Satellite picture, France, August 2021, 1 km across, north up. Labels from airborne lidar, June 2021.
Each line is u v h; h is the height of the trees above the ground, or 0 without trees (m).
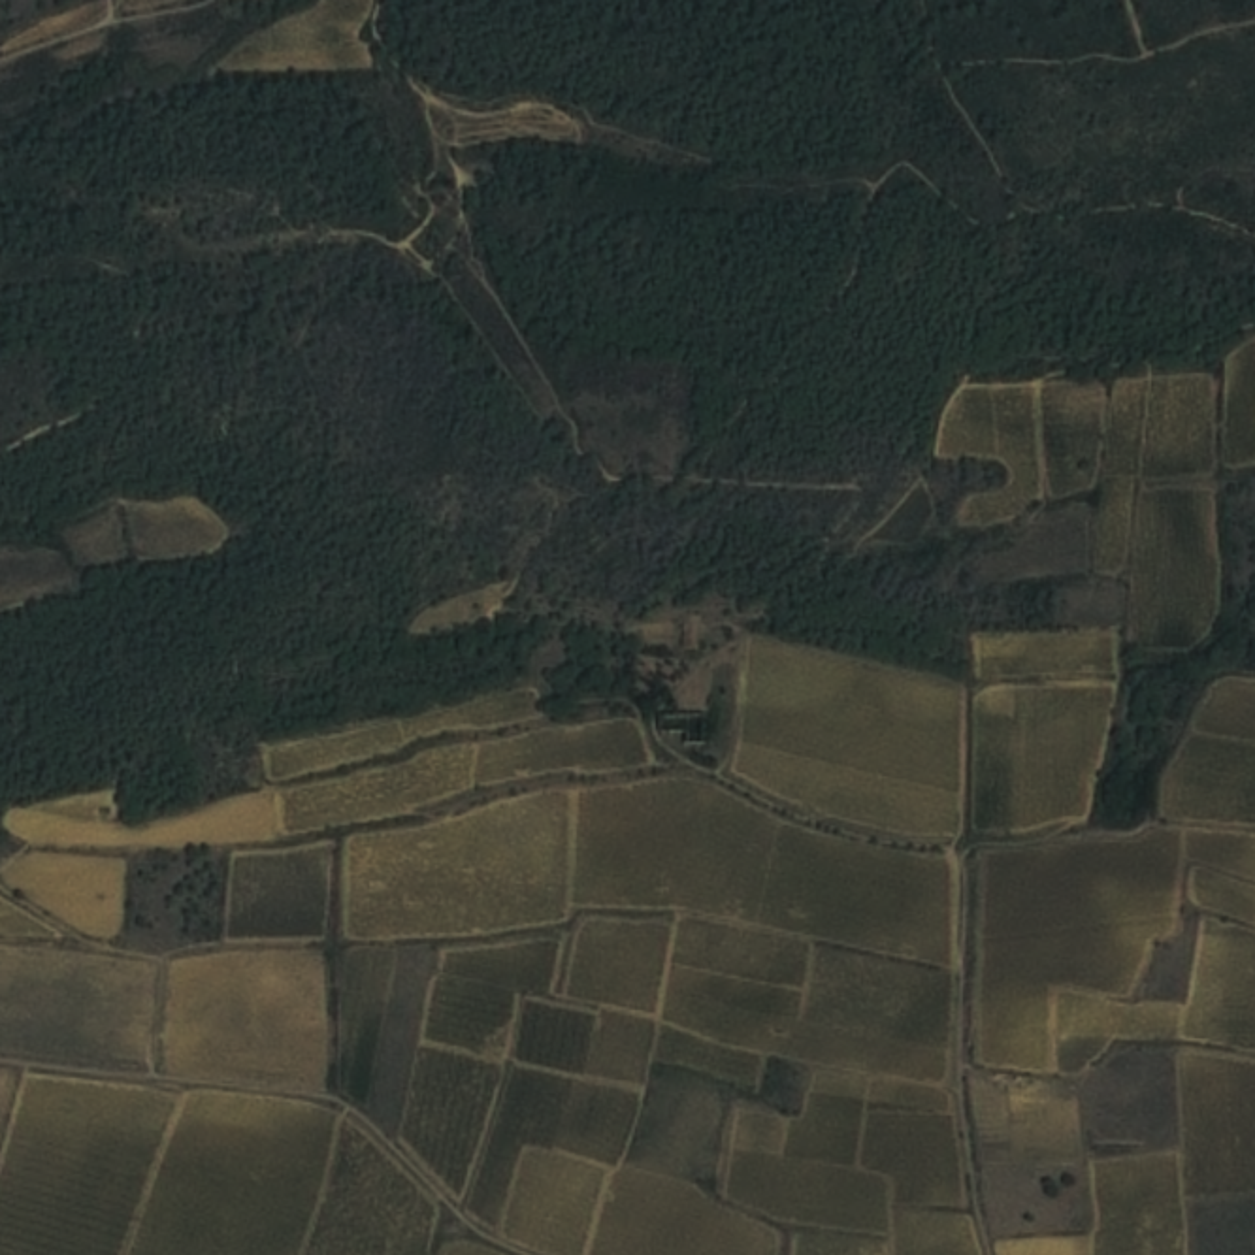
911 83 9
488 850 0
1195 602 0
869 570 10
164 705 10
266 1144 0
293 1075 0
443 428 8
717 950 0
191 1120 0
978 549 8
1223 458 0
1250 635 7
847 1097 0
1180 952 0
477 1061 0
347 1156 0
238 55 0
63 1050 0
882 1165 0
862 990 0
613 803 0
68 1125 0
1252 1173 0
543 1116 0
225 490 10
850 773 0
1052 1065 0
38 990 0
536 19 9
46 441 7
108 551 0
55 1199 0
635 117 14
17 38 0
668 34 11
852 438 9
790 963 0
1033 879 0
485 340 8
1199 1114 0
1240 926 0
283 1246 0
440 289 9
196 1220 0
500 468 8
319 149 12
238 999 0
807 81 9
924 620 11
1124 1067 0
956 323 9
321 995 0
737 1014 0
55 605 10
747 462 8
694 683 0
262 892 0
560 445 11
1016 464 0
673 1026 0
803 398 8
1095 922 0
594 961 0
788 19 11
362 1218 0
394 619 8
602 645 10
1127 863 0
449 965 0
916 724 0
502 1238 0
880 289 6
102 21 0
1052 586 6
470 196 9
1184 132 0
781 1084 0
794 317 9
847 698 0
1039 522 0
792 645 9
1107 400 0
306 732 13
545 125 0
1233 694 0
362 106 13
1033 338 7
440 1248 0
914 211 9
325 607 10
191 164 5
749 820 0
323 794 0
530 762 0
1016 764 0
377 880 0
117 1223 0
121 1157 0
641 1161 0
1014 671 0
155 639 9
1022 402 0
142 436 8
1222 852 0
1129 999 0
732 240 10
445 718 0
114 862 0
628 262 7
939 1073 0
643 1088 0
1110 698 0
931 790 0
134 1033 0
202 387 7
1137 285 10
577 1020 0
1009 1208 0
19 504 6
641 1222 0
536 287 8
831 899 0
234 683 8
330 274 7
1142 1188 0
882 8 11
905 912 0
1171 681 12
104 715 8
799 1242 0
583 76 8
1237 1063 0
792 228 11
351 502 6
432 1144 0
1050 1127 0
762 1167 0
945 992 0
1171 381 0
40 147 11
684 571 9
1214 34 0
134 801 14
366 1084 0
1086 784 0
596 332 9
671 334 8
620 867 0
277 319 10
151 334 8
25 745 9
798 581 12
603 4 10
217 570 9
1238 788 0
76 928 0
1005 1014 0
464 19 10
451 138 0
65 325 9
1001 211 0
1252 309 7
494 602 0
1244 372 0
